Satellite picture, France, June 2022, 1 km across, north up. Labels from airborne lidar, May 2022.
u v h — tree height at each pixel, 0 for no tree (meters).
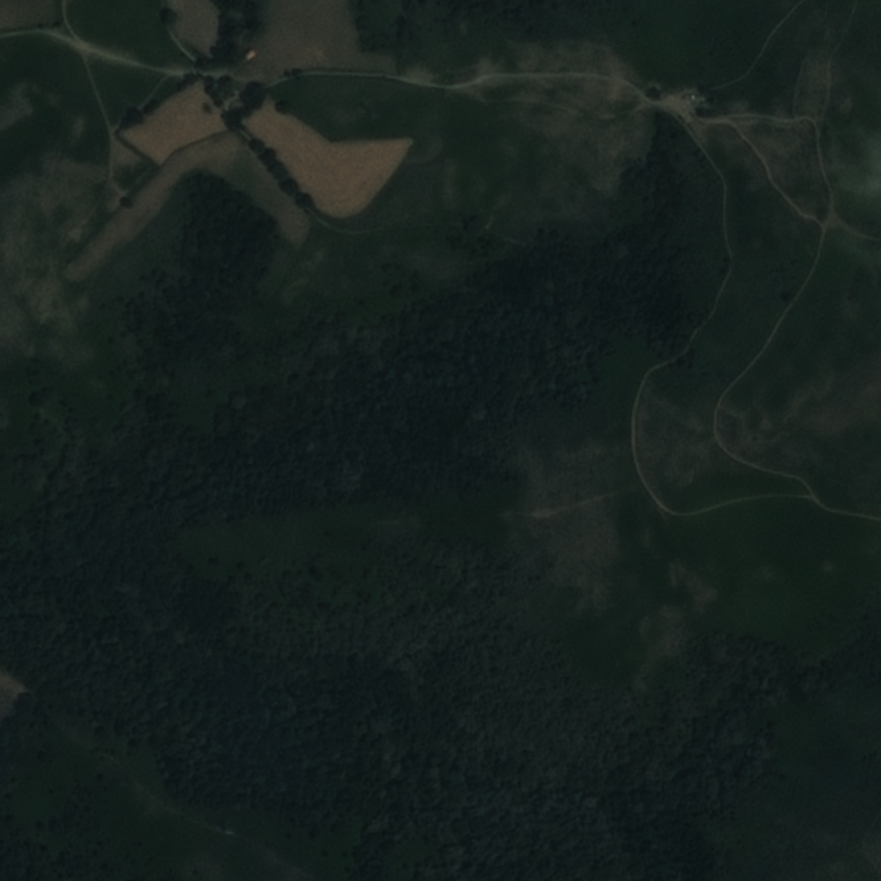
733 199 0
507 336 23
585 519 0
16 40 0
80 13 0
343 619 15
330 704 23
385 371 6
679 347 12
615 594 0
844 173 0
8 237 0
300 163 0
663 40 0
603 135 0
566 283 31
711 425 0
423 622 14
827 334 0
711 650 11
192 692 20
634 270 8
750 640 9
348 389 27
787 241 0
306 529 0
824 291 0
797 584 0
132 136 0
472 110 0
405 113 0
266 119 0
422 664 12
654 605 0
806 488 0
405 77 0
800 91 0
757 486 0
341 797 15
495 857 12
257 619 9
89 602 8
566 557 0
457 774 29
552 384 17
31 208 0
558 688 6
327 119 0
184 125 0
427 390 27
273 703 23
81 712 17
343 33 0
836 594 0
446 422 23
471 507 0
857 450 0
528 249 7
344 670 24
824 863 0
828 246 0
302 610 13
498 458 8
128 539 11
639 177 14
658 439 0
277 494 16
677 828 15
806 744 0
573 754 10
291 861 0
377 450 21
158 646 24
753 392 0
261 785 17
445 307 15
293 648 8
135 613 29
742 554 0
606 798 17
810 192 0
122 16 0
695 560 0
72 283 0
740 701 15
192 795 11
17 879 21
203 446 13
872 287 0
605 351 7
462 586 12
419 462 21
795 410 0
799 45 0
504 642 8
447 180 0
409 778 23
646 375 0
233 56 15
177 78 0
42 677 12
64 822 9
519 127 0
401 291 14
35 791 0
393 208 0
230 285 19
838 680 7
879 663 13
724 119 0
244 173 0
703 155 7
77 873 13
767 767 17
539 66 0
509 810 14
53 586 14
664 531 0
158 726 25
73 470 13
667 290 22
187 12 0
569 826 14
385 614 11
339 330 15
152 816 0
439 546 6
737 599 0
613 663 0
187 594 12
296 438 9
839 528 0
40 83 0
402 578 10
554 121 0
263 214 13
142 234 0
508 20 10
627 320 10
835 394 0
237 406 17
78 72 0
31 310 0
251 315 0
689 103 0
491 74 0
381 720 33
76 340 0
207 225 14
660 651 0
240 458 23
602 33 0
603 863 10
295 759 12
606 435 0
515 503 0
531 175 0
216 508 14
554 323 25
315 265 0
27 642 19
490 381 24
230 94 10
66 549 14
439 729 15
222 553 0
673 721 9
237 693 18
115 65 0
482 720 8
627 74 0
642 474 0
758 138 0
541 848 18
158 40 0
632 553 0
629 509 0
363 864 9
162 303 12
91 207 0
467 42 0
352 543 0
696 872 21
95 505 22
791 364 0
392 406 20
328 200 0
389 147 0
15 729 14
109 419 0
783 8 0
